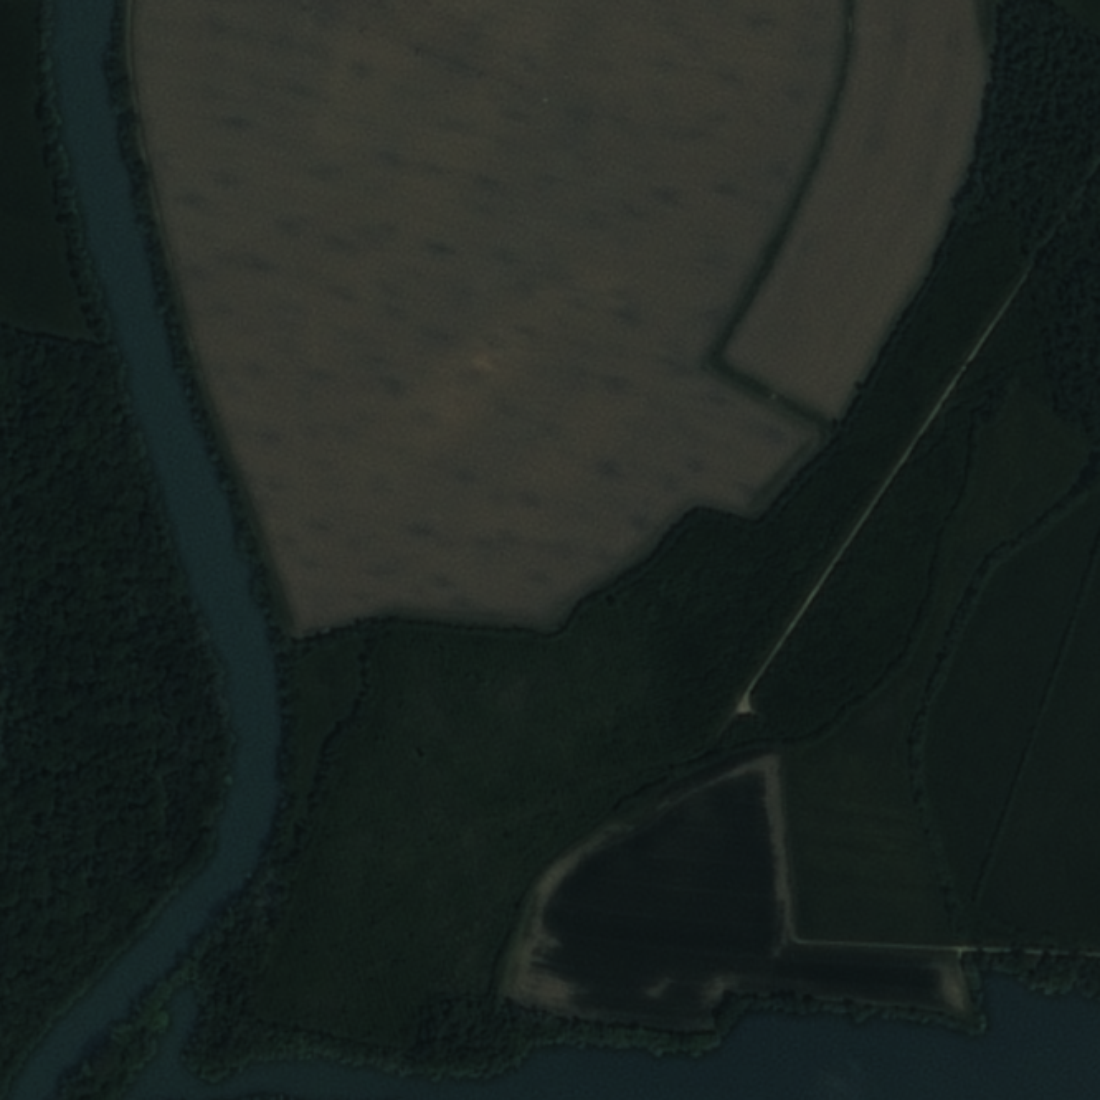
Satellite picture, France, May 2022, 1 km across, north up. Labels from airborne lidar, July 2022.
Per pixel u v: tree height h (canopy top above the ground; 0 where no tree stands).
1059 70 20
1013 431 0
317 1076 0
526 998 0
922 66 0
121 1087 18
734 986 0
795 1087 0
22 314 0
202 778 22
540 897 0
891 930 0
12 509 20
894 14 0
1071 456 0
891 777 0
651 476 0
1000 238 9
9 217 0
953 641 12
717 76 0
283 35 0
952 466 8
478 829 0
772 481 0
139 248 0
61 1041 0
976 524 0
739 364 0
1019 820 0
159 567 23
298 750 12
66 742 21
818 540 6
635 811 0
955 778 0
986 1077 0
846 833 0
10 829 26
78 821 26
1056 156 11
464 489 0
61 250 0
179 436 0
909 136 0
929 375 7
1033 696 0
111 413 19
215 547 0
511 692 0
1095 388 10
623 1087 0
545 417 0
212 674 16
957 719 0
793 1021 0
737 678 6
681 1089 0
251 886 12
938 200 0
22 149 0
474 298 0
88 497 26
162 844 24
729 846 0
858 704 7
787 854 0
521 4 0
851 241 0
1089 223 19
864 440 8
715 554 7
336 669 0
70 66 0
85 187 0
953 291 9
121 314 0
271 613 14
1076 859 0
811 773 0
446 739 0
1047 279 6
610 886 0
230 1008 16
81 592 22
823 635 7
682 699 7
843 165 0
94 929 24
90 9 0
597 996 0
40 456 27
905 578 7
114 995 0
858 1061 0
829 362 0
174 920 0
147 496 15
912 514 6
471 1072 9
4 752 19
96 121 0
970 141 0
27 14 0
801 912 0
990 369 7
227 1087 0
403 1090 0
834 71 0
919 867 0
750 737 6
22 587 25
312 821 7
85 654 28
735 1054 0
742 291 0
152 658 15
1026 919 0
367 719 7
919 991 0
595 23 0
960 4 0
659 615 6
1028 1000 0
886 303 0
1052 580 0
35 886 27
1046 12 14
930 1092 0
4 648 18
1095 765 0
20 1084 0
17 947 24
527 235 0
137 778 19
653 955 0
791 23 0
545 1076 0
